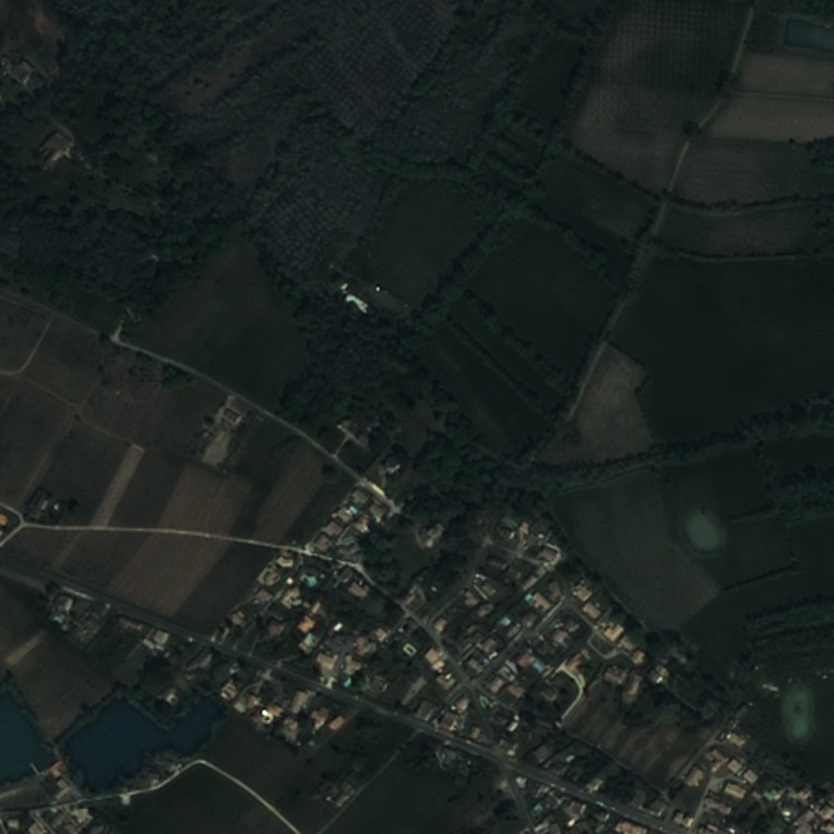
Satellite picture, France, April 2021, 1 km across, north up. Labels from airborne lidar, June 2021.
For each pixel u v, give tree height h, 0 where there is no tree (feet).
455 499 51
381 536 77
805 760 0
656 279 0
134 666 0
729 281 0
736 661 0
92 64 75
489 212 33
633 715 20
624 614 65
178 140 92
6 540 0
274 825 0
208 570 0
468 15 83
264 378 0
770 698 0
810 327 0
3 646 0
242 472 0
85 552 0
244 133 34
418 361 49
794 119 0
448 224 0
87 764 0
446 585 22
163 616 0
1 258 65
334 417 64
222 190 47
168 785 0
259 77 61
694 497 0
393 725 0
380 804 0
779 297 0
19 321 0
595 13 0
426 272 0
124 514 0
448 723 0
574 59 0
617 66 60
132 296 45
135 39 52
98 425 0
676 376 0
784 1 40
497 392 0
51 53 0
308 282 42
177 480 0
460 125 40
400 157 52
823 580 0
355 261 21
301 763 0
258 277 0
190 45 31
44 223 68
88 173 60
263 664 0
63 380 0
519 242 0
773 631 35
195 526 0
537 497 33
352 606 32
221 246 52
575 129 21
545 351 0
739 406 0
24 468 0
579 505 0
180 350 0
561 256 0
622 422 0
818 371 0
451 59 28
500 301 0
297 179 37
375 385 97
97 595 0
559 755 29
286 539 0
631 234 0
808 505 53
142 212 0
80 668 0
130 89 91
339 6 71
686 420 0
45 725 0
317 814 0
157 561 0
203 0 41
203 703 0
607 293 0
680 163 0
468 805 0
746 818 26
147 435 0
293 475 0
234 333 0
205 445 24
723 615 0
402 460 47
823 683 0
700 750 0
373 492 0
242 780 0
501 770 0
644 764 0
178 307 0
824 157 50
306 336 53
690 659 27
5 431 0
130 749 0
